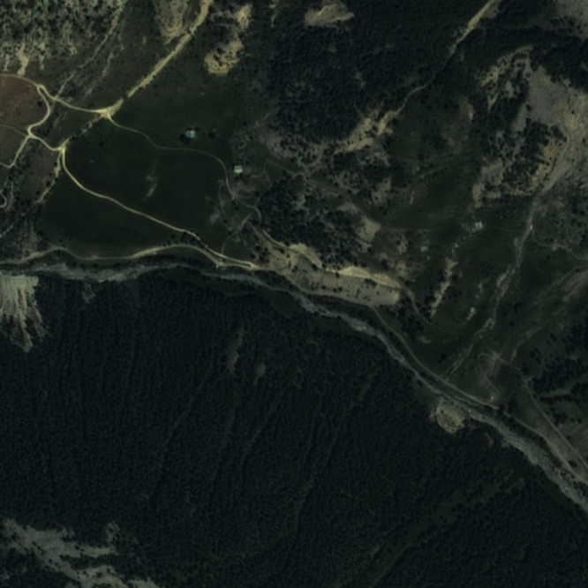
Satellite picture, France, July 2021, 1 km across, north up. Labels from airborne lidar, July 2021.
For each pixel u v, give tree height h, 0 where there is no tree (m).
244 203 0
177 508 16
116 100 0
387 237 0
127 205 0
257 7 9
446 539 21
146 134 0
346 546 9
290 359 15
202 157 0
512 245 0
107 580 0
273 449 18
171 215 0
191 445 11
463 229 0
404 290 0
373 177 6
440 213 0
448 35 6
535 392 7
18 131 0
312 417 17
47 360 10
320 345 14
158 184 0
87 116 0
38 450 22
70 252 0
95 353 25
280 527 11
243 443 11
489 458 16
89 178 0
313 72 6
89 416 19
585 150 0
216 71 0
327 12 0
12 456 19
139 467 16
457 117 0
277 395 14
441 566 17
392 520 17
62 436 8
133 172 0
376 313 0
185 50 0
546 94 0
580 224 8
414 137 0
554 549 22
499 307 0
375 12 17
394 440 23
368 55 10
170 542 18
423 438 22
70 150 0
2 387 17
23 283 0
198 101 0
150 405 14
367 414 25
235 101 0
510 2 12
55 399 12
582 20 0
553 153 0
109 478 18
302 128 8
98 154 0
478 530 16
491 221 0
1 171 0
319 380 18
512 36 20
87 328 19
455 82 12
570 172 0
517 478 13
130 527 19
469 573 10
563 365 9
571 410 0
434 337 0
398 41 12
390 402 18
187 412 6
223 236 0
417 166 0
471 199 0
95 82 0
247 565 20
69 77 0
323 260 9
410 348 0
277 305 0
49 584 12
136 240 0
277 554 17
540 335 0
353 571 10
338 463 11
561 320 0
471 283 0
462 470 19
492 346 0
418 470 15
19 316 0
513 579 13
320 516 17
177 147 0
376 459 21
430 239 0
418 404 15
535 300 0
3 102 0
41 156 0
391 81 12
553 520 19
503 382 0
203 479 22
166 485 18
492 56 10
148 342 12
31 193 0
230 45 0
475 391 0
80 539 10
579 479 0
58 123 0
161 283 22
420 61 18
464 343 0
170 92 0
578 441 0
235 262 0
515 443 0
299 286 0
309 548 12
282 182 9
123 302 11
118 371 16
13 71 0
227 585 14
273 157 0
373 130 7
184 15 0
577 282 0
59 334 13
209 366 17
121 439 18
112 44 0
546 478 10
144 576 12
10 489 16
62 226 0
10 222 7
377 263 0
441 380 0
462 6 16
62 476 17
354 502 18
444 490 11
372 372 15
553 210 0
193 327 21
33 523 9
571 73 8
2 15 7
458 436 8
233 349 0
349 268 0
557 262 0
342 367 14
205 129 0
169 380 16
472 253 0
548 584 11
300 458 10
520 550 19
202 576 12
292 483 7
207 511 18
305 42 13
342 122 13
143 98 0
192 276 15
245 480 15
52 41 0
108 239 0
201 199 0
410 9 19
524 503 21
